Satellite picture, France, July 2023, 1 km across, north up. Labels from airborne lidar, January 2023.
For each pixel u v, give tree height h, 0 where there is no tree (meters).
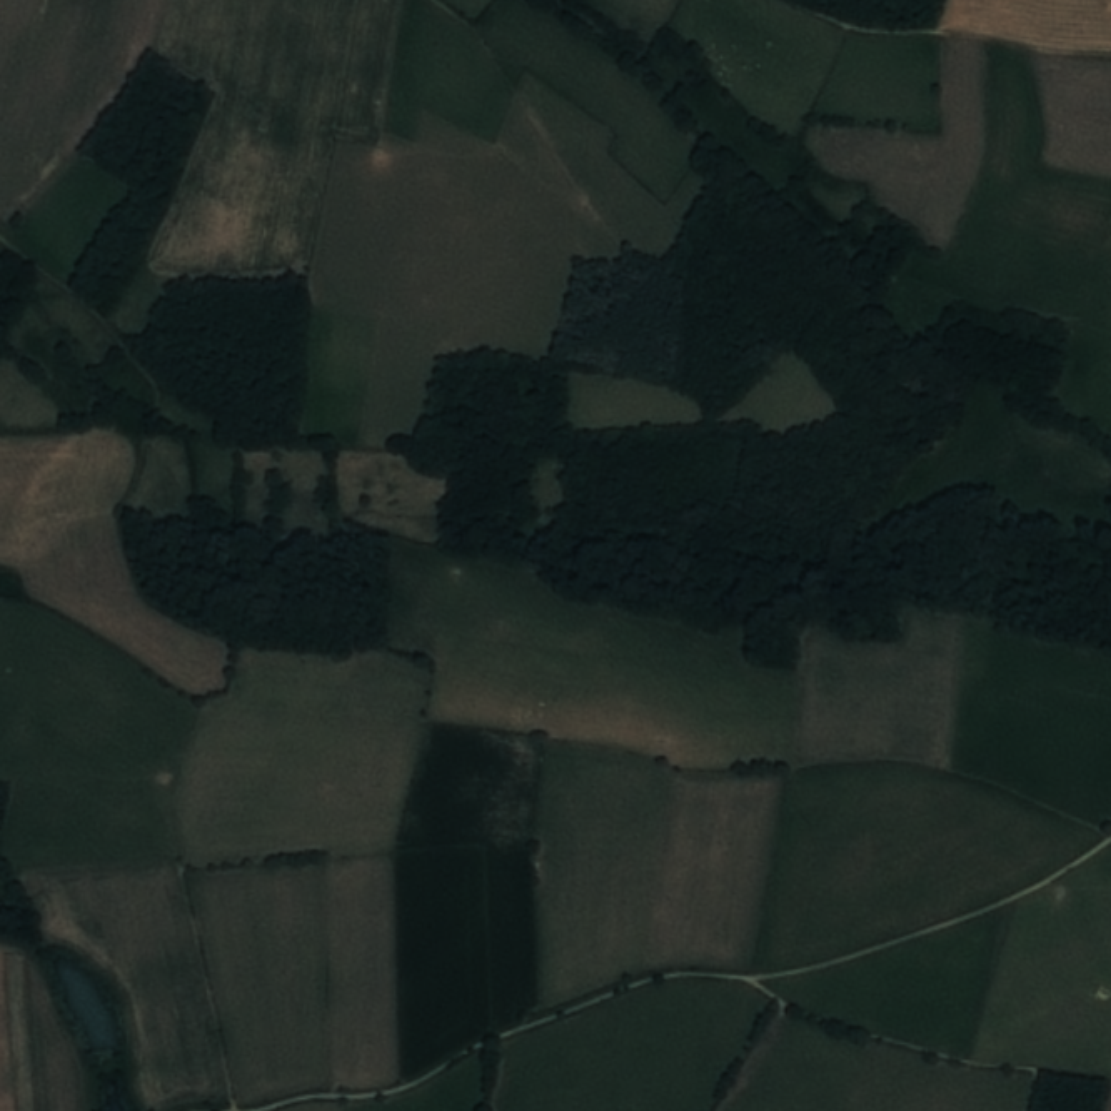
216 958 0
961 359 18
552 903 0
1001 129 0
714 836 0
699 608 26
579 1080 0
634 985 0
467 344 0
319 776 0
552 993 0
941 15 14
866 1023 0
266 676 0
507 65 0
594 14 8
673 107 18
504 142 0
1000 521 16
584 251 0
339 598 27
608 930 0
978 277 0
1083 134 0
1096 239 0
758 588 26
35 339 0
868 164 0
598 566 15
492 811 0
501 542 17
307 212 0
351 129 0
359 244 0
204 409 18
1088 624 8
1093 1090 14
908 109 0
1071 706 0
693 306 19
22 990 0
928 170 0
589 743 0
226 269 0
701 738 0
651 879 0
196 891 0
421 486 0
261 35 0
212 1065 0
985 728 0
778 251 19
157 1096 0
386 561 21
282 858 13
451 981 0
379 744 0
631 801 0
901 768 0
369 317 0
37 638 0
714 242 17
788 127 0
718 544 22
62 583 0
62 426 16
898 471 26
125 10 0
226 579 17
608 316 24
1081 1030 0
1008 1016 0
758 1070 0
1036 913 0
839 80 0
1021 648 0
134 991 0
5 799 9
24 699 0
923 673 0
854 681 0
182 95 10
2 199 0
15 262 16
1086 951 0
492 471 23
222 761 0
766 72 0
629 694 0
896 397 26
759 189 22
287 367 20
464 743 0
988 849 0
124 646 0
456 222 0
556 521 9
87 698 0
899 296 0
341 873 0
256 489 0
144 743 0
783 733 0
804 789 0
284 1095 0
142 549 12
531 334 0
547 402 14
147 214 17
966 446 0
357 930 0
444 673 0
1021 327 12
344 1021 0
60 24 0
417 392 0
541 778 0
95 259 18
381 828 0
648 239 0
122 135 11
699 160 15
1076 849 0
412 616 0
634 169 0
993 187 0
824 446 17
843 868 0
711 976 0
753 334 21
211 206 0
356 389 0
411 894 0
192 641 0
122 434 0
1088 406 0
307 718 0
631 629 0
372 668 0
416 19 0
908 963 0
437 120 0
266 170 0
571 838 0
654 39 7
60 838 0
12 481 0
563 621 0
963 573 18
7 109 0
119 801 0
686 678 0
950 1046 0
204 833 0
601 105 0
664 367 23
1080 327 0
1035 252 0
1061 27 0
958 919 0
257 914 0
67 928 0
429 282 0
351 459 0
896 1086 0
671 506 7
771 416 0
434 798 0
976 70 0
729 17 0
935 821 0
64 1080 0
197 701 12
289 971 0
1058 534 25
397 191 0
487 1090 13
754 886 0
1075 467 0
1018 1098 0
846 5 15
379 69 0
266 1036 0
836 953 0
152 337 16
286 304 15
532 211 0
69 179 0
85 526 0
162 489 0
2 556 0
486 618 0
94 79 0
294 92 0
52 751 0
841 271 28
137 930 0
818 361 17
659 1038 0
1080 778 0
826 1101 0
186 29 0
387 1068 0
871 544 18
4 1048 0
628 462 19
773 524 9
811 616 25
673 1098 0
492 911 0
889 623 19
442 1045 0
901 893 0
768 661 17
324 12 0
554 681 0
